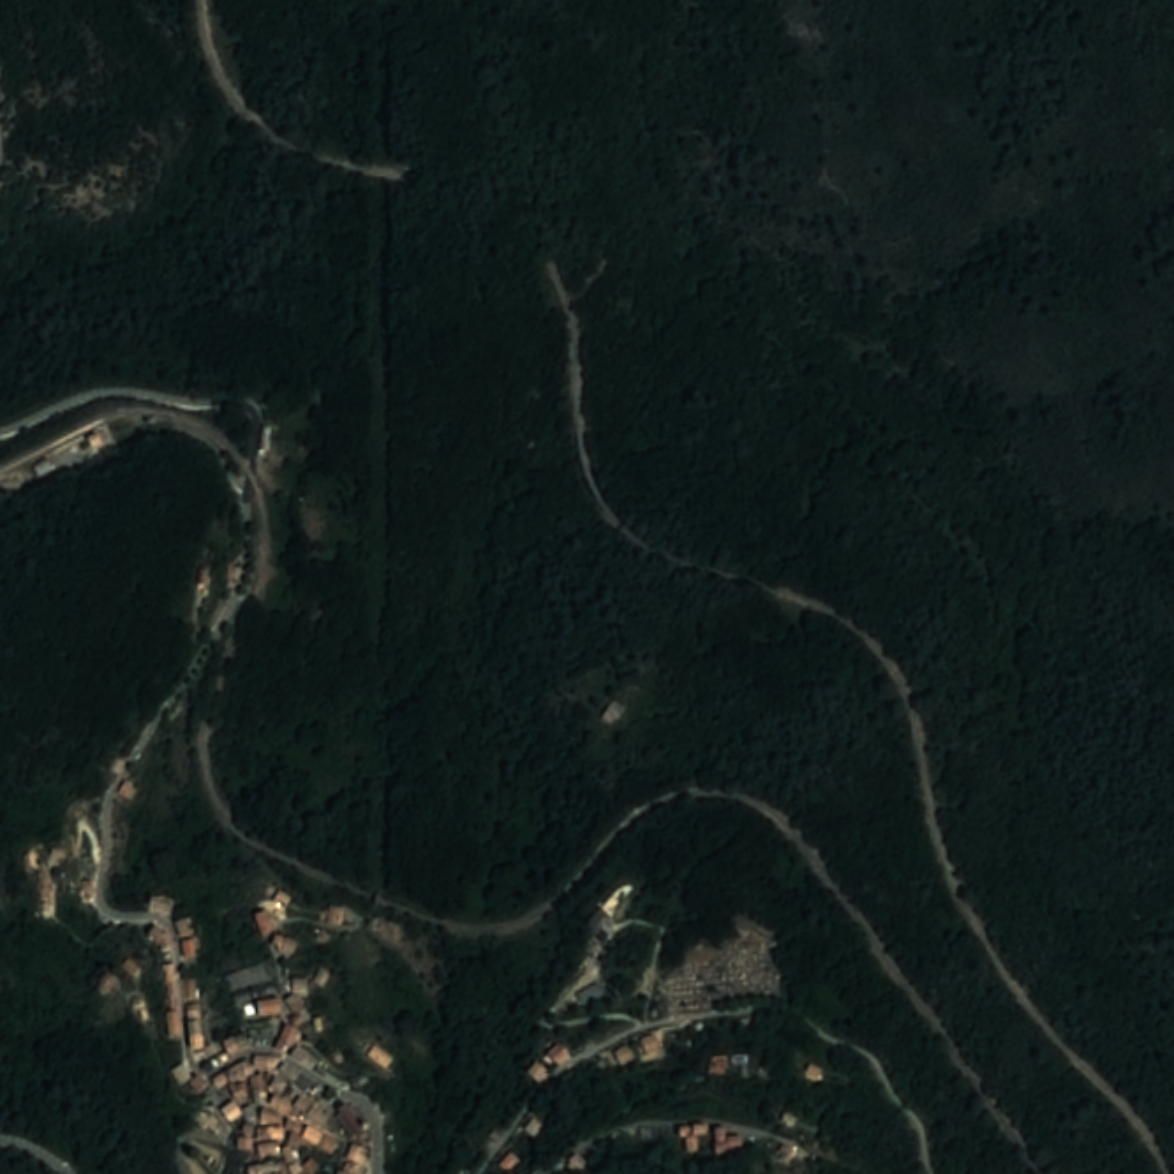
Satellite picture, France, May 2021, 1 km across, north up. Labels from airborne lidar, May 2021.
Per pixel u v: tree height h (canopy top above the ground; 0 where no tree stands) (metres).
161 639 16
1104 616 14
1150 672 14
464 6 20
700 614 17
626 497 16
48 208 13
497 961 21
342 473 15
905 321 15
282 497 12
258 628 21
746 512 17
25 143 11
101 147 10
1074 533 17
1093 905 16
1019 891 22
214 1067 11
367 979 0
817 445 16
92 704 14
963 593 18
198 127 8
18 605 8
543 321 13
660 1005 7
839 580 16
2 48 12
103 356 11
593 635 19
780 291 12
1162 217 18
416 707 17
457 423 16
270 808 19
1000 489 18
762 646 18
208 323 17
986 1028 14
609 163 15
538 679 6
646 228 10
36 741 8
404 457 14
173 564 18
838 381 15
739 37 20
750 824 13
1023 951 21
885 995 14
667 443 14
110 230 13
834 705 29
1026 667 19
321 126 16
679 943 15
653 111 19
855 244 19
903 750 13
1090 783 9
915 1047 13
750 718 19
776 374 11
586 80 18
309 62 11
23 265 15
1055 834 14
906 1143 9
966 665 12
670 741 7
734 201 8
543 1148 14
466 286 17
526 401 9
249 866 8
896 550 15
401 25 19
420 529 14
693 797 15
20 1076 8
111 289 13
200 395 13
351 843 17
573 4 16
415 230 15
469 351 19
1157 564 13
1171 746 15
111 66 9
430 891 19
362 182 13
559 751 7
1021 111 20
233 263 24
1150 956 12
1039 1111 11
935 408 16
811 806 14
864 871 14
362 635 15
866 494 15
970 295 14
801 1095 13
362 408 19
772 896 9
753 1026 14
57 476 16
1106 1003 13
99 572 14
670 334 26
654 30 25
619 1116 7
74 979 5
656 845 9
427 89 20
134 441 15
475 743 16
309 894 7
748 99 26
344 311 20
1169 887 12
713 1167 21
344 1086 0
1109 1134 11
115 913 0
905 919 17
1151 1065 16
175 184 8
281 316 20
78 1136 10
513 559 11
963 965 9
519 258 16
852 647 16
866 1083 13
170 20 21
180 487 16
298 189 15
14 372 11
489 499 13
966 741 9
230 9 15
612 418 19
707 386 18
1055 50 23
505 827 15
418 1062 0
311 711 6
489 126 17
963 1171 9
